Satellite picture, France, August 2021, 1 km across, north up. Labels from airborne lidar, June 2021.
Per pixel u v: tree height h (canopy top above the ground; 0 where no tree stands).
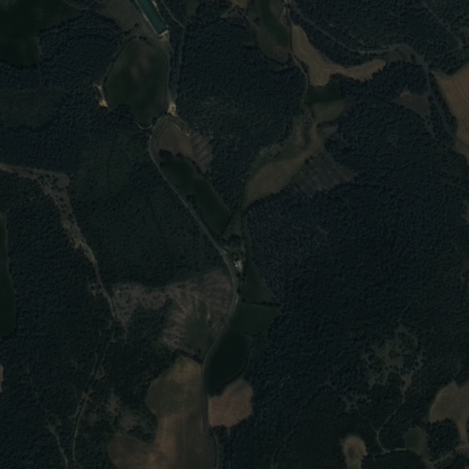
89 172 7
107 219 10
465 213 7
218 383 0
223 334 0
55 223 6
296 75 13
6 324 0
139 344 9
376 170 16
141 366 10
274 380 11
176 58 11
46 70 13
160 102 0
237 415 0
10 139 14
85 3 10
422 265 9
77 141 9
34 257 10
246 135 11
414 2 7
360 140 13
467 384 0
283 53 0
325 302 9
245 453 15
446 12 10
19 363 12
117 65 0
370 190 16
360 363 13
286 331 10
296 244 12
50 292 11
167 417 0
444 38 14
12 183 6
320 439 10
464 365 7
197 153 0
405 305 9
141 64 0
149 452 0
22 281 12
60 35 7
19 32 0
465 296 11
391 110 10
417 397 13
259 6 0
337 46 12
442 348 6
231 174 9
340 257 10
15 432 11
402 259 8
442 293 10
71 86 10
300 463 9
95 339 8
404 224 14
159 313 8
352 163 14
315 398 11
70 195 6
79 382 9
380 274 10
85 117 9
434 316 9
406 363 6
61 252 6
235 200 11
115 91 0
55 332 7
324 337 11
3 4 0
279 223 11
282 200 16
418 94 10
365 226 12
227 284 0
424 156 16
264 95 16
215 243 0
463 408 0
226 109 6
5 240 0
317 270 9
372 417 10
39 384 9
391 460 9
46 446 7
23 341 8
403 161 15
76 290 7
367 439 15
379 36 7
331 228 11
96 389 12
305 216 11
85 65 13
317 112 0
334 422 11
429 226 12
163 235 8
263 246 14
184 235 7
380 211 20
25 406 11
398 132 12
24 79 13
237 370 0
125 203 8
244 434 13
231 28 12
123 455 0
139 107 0
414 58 12
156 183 7
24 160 10
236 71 15
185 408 0
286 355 13
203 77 11
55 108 9
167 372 0
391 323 6
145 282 9
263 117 7
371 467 10
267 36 0
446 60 12
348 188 11
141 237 6
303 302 11
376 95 10
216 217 0
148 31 0
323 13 10
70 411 7
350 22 9
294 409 8
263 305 9
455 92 0
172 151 0
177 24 12
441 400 0
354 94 11
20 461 7
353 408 9
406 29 15
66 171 9
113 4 0
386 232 17
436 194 13
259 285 0
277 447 11
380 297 15
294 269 13
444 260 8
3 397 11
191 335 0
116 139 8
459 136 0
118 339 7
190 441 0
